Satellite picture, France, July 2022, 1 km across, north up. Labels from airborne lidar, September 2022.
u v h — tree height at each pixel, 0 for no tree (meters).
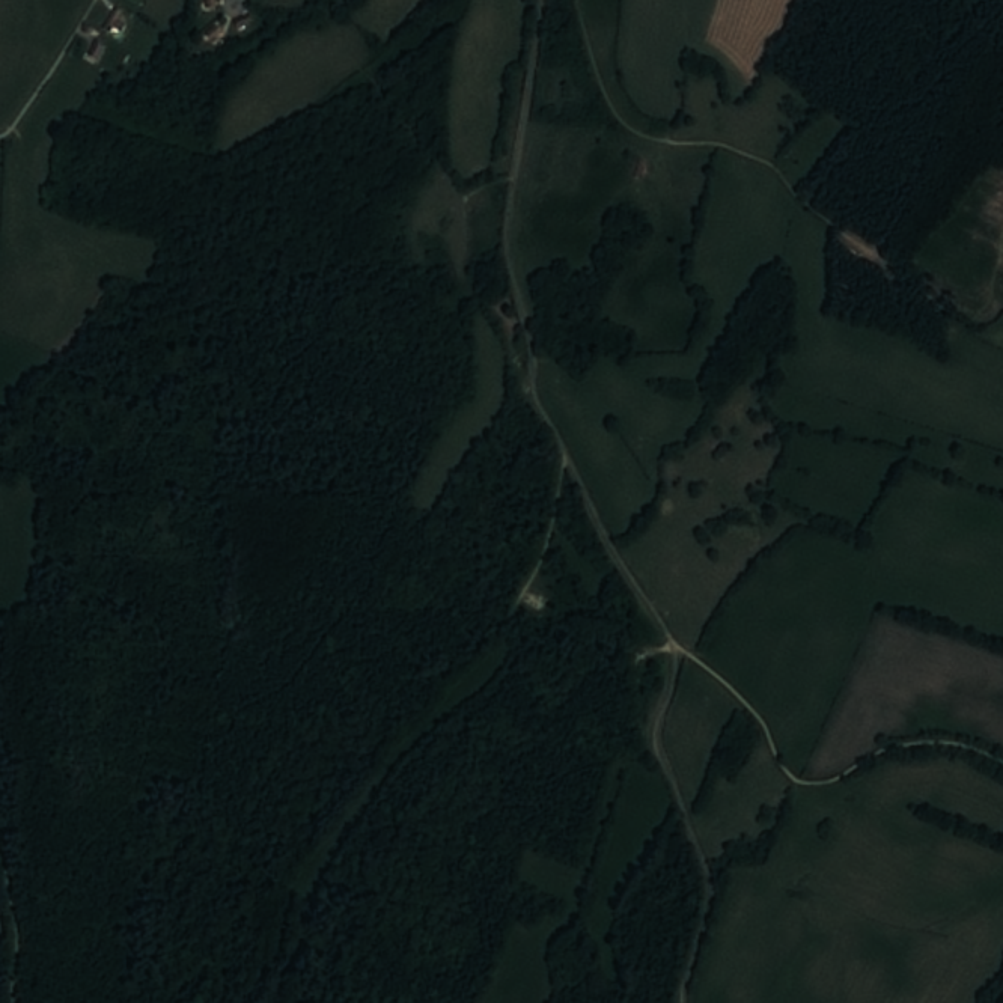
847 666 0
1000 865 0
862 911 0
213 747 14
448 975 14
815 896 0
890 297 16
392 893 17
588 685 16
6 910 15
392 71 20
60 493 15
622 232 10
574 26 9
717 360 16
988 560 0
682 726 0
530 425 13
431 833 15
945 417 0
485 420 0
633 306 0
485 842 12
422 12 16
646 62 0
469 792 15
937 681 0
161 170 13
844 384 0
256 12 9
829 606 0
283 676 17
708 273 0
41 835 8
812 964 0
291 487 17
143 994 10
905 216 21
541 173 0
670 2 0
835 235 19
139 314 21
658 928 6
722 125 0
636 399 0
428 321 15
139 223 12
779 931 0
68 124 15
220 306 19
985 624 0
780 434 12
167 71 13
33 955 7
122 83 8
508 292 12
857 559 0
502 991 0
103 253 0
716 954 0
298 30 8
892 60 17
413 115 10
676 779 0
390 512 10
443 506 14
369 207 10
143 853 17
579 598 7
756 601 0
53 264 0
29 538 0
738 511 8
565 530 12
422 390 15
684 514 0
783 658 0
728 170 0
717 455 7
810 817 0
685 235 0
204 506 8
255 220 18
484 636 12
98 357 24
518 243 0
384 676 15
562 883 0
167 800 27
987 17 20
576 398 0
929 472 10
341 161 11
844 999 0
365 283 15
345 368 18
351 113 11
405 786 12
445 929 17
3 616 15
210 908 18
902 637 0
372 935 15
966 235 0
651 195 0
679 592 0
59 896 7
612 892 0
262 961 7
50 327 0
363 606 17
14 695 14
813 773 0
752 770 0
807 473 6
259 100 0
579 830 12
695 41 0
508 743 14
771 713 0
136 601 14
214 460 17
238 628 15
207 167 10
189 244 21
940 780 0
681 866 21
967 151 19
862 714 0
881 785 0
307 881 0
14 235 0
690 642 0
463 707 9
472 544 8
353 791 29
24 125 0
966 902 0
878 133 22
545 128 0
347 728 21
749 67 0
